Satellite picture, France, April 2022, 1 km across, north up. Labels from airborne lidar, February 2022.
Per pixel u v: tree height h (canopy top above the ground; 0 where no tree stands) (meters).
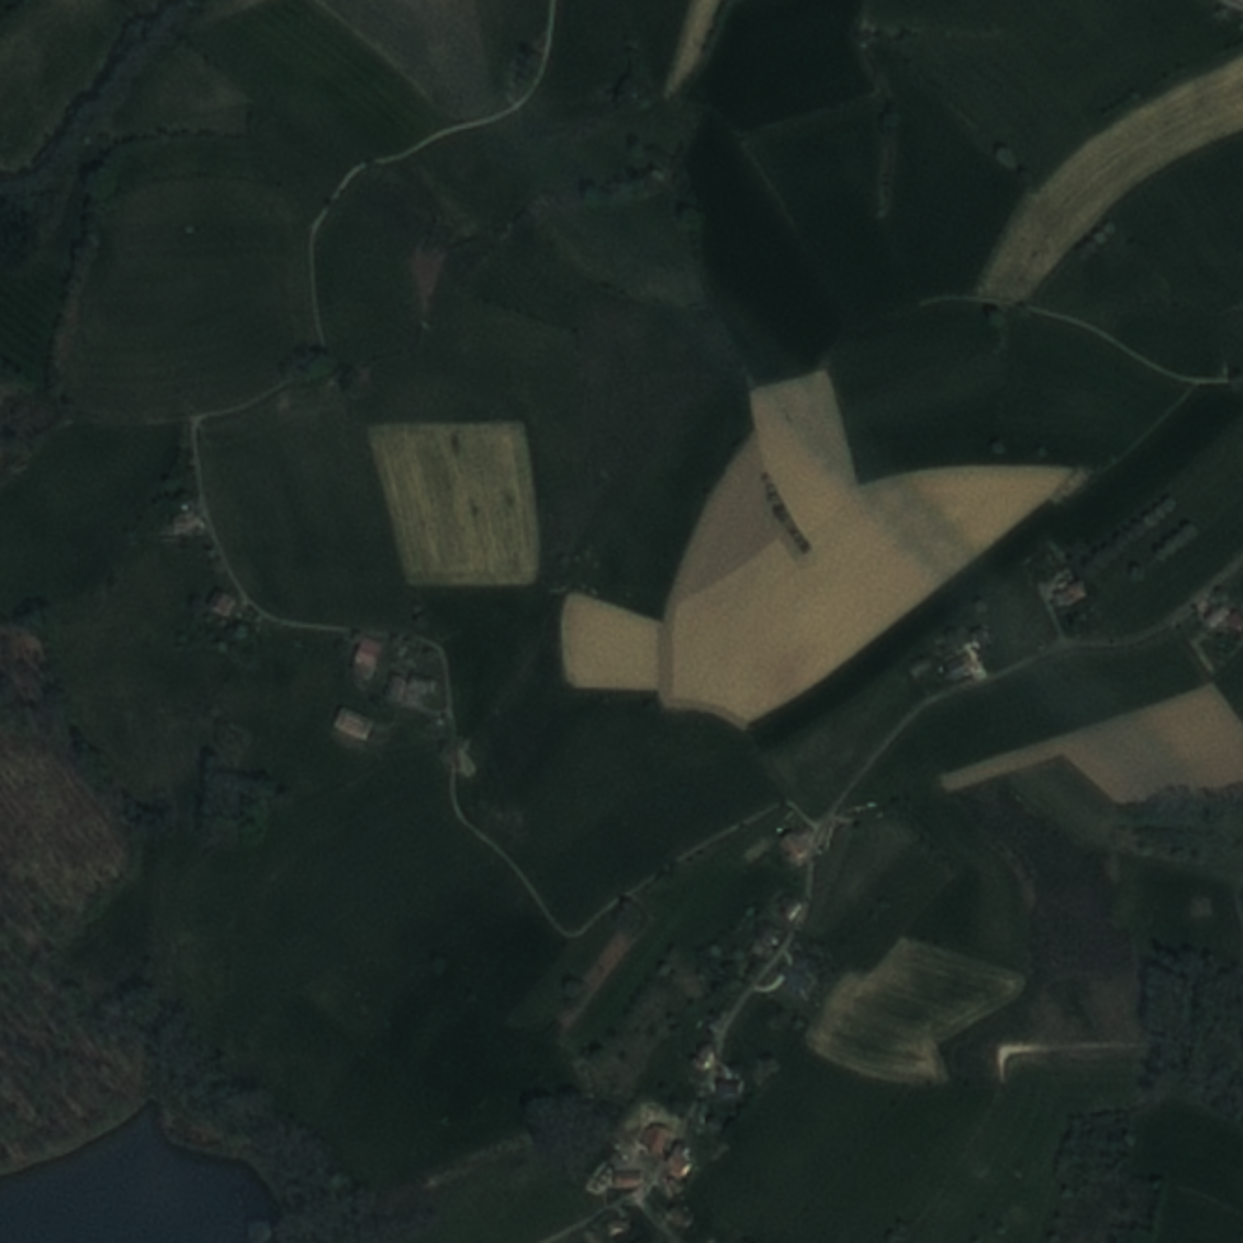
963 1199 0
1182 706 0
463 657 0
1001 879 0
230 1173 0
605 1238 0
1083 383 0
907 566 0
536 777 0
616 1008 0
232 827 20
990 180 0
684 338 0
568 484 0
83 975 0
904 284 0
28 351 0
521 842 0
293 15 0
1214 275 0
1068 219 0
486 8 0
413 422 0
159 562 0
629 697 0
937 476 0
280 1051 0
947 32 0
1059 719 0
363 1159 0
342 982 0
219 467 0
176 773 0
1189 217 0
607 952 0
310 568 0
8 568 0
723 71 0
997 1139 0
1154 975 23
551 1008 0
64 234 0
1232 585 0
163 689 0
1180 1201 0
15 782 0
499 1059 0
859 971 0
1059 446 0
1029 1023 0
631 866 0
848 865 0
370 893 0
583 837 0
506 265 0
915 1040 0
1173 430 0
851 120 0
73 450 0
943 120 0
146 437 0
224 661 0
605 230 0
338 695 0
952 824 0
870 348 0
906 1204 0
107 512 0
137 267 0
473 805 0
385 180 0
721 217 0
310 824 0
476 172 0
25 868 0
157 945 0
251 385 0
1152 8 0
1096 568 11
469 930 0
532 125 0
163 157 0
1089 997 0
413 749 0
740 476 0
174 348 0
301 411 0
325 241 0
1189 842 9
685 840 0
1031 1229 0
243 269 0
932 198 0
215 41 0
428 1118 0
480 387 0
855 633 0
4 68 0
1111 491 0
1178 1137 0
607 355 0
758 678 0
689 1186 6
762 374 0
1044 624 0
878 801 0
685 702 0
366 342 0
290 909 0
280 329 0
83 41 0
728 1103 0
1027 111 0
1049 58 0
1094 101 0
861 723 0
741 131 0
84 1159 0
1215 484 0
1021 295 0
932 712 0
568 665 0
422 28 0
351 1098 0
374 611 0
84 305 0
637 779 0
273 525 0
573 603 0
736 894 0
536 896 0
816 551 0
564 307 0
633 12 0
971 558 0
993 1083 0
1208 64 0
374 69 0
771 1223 0
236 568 0
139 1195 0
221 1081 21
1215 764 0
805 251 0
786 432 0
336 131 0
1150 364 0
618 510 0
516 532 0
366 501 0
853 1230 0
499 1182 0
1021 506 0
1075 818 0
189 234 0
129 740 0
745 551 0
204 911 0
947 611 0
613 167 0
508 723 0
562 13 0
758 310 0
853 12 0
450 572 0
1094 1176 8
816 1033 0
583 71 0
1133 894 0
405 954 0
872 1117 0
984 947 0
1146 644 0
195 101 0
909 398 0
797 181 0
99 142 7
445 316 0
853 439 0
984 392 0
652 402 0
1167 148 0
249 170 0
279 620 0
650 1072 0
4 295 0
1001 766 0
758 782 0
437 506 0
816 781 0
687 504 0
